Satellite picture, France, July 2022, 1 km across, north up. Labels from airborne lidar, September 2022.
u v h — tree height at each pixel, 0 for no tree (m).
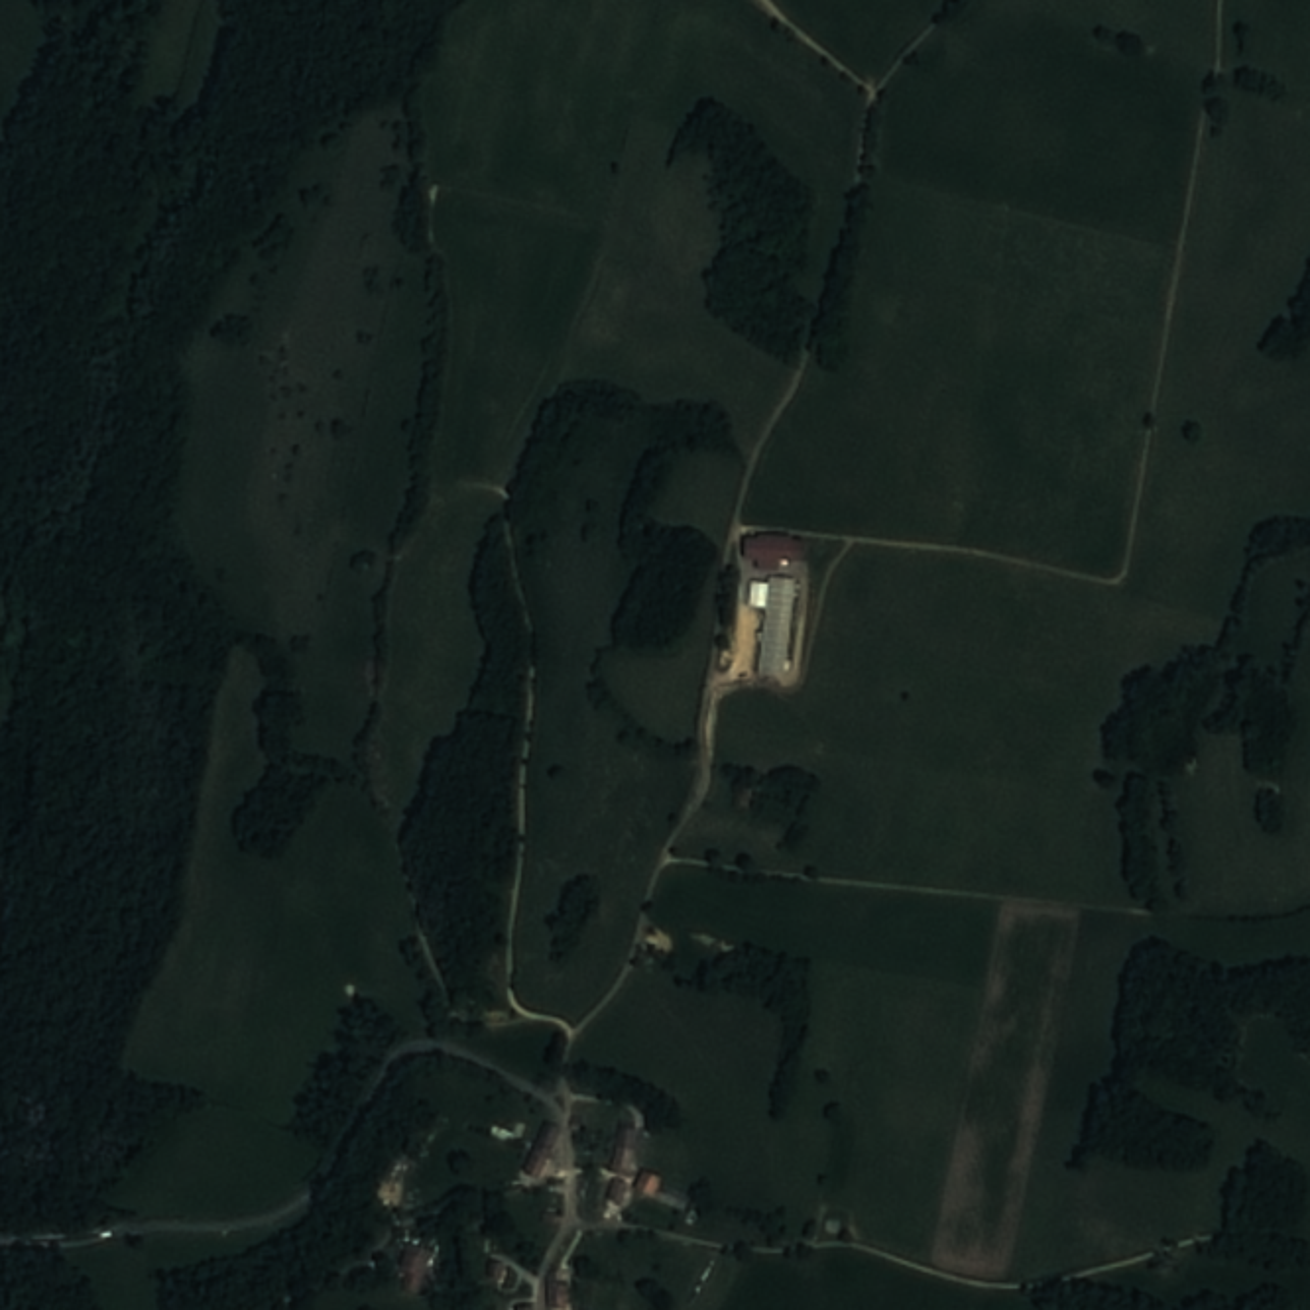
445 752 18
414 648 0
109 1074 16
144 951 15
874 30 0
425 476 9
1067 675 0
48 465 9
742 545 0
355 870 0
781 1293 0
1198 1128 18
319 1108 15
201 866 0
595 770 0
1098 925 0
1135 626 0
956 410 0
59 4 17
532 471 12
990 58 0
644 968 8
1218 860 0
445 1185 0
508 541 12
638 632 18
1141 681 19
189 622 8
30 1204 24
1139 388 0
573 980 0
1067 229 0
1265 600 0
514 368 0
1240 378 0
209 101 14
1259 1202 18
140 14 14
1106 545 0
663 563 19
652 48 0
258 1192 0
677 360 0
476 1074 14
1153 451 0
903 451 0
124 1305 0
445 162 0
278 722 17
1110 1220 0
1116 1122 19
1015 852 0
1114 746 18
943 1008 0
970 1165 0
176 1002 0
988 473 0
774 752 0
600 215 0
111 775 9
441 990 14
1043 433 0
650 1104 19
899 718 0
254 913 0
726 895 0
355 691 0
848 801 0
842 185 0
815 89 0
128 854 10
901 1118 0
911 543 0
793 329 14
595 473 0
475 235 0
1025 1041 0
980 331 0
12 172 12
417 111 12
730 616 12
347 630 0
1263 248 0
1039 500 0
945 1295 0
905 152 0
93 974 10
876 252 0
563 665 0
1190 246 0
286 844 17
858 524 0
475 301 0
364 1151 14
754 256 13
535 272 0
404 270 0
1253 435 0
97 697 13
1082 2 0
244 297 0
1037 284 0
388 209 0
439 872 14
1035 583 0
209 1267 9
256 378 0
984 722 0
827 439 0
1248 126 0
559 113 0
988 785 0
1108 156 0
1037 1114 0
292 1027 0
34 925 19
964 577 0
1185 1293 0
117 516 15
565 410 15
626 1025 0
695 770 0
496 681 15
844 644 0
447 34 10
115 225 16
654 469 17
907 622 0
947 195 0
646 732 9
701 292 0
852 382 0
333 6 15
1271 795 10
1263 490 0
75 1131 18
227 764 0
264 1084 0
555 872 0
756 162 15
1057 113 0
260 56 19
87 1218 21
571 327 0
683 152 7
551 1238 0
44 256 15
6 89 0
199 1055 0
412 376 0
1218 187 0
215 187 16
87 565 17
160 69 0
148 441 13
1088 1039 0
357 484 0
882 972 0
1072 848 0
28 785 6
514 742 13
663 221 0
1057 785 0
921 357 0
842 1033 0
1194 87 0
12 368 17
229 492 0
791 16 0
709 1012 0
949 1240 0
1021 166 0
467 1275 17
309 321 0
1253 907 0
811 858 0
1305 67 0
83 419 11
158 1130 12
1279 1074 0
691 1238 0
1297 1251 14
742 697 0
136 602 10
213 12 0
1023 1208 0
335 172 0
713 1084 0
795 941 0
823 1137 0
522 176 0
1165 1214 0
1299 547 16
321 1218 7
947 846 0
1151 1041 18
